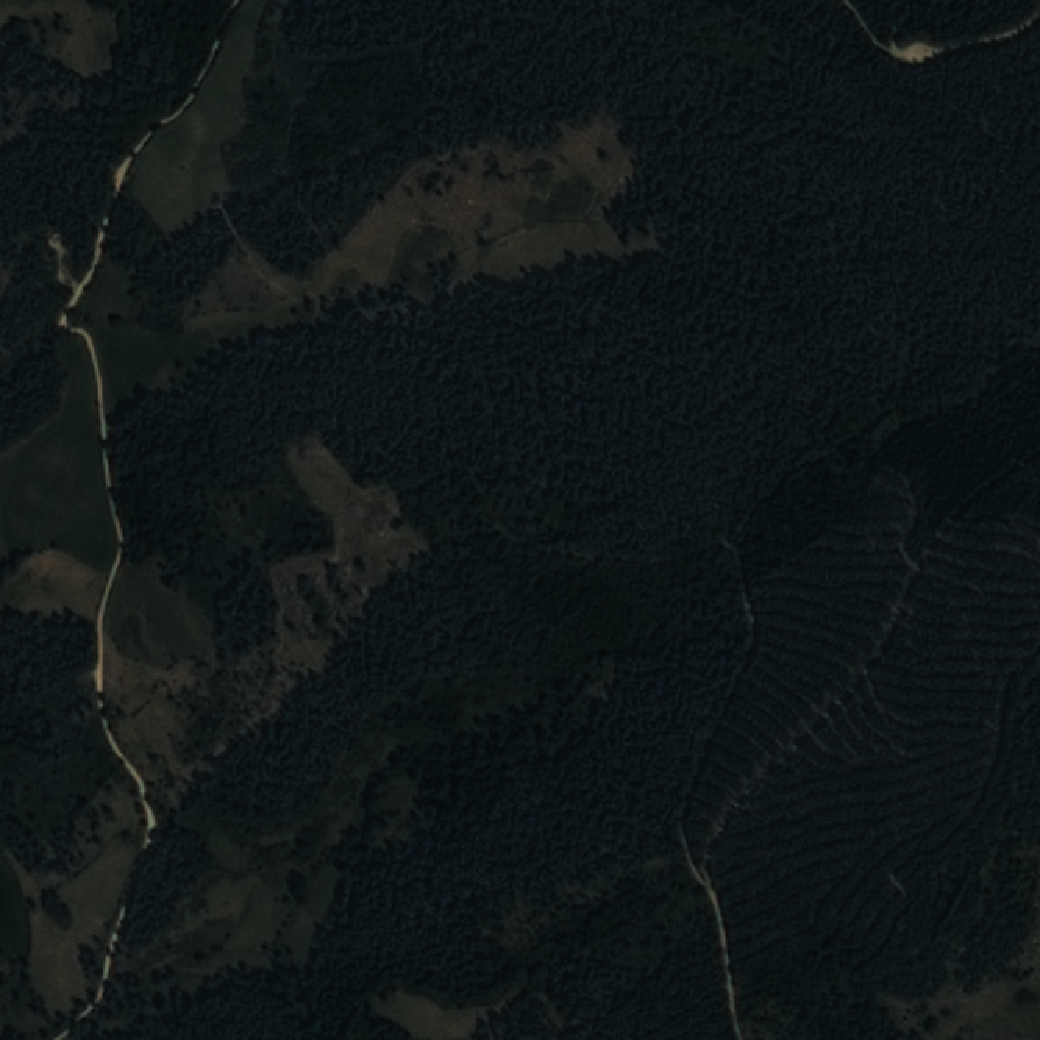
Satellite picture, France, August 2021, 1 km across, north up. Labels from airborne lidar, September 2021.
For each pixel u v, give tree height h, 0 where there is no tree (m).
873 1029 14
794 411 15
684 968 12
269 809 17
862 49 16
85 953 13
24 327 12
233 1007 16
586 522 17
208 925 0
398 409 14
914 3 16
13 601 0
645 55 17
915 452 10
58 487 0
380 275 0
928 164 13
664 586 10
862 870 15
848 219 16
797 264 10
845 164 13
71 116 7
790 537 10
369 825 14
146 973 0
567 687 13
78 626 19
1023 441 11
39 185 14
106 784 6
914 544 14
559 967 10
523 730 19
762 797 15
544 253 0
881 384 15
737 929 14
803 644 15
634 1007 14
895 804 14
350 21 16
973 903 15
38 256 12
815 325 14
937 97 16
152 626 0
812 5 19
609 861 14
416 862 11
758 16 17
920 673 11
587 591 9
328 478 0
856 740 18
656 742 17
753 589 16
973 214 17
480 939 16
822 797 13
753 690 17
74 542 0
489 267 0
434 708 6
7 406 19
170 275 12
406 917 14
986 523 12
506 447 17
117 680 0
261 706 10
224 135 0
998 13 17
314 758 9
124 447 17
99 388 0
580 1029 11
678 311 18
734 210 18
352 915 15
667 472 18
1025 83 13
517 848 16
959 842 13
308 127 5
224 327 0
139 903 20
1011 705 15
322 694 18
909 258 14
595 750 14
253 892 0
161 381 0
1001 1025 0
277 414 15
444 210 0
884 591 15
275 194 16
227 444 17
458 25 11
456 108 14
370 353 14
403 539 0
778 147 15
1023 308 12
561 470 16
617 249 0
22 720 9
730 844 14
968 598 15
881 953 16
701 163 17
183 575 9
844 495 13
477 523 10
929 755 13
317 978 16
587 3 13
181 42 6
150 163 0
